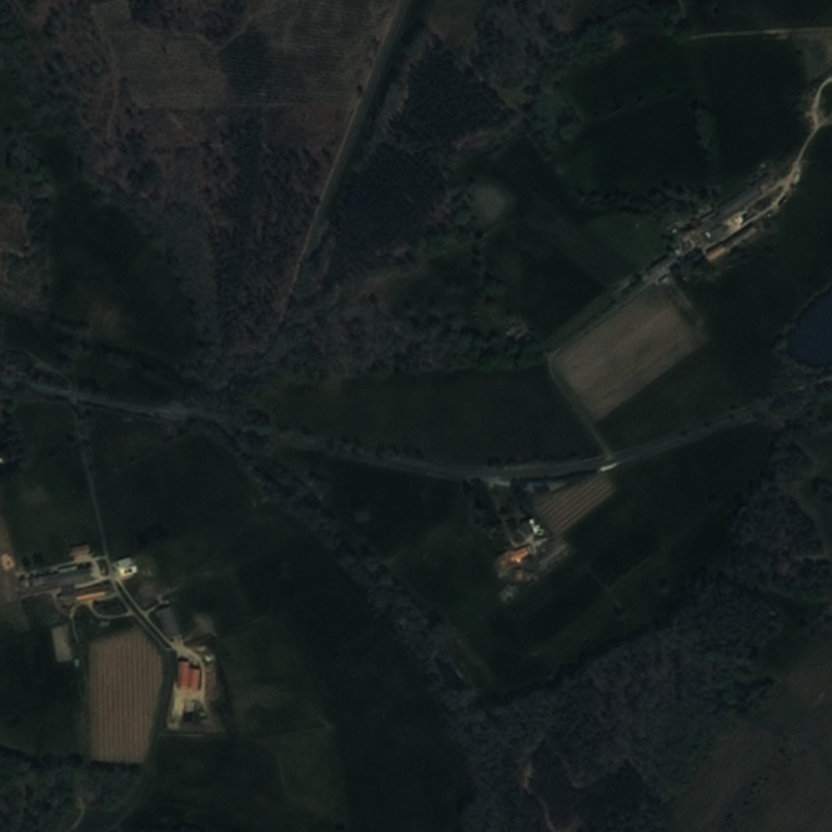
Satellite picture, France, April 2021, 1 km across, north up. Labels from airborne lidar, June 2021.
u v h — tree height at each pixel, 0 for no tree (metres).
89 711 0
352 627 0
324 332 19
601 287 0
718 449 0
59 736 0
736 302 0
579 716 24
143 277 0
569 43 16
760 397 13
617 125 0
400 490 0
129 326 0
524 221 0
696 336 0
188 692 0
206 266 16
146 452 8
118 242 0
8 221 0
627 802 9
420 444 0
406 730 0
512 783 23
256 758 0
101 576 0
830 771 0
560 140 9
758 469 0
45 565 15
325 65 0
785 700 0
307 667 0
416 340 10
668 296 0
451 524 0
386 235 12
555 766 9
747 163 0
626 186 0
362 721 0
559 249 0
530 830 20
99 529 0
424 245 18
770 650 0
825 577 19
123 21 0
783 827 0
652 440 0
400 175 12
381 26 0
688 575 0
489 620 0
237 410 22
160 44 0
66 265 0
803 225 0
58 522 0
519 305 0
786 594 14
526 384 0
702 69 0
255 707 0
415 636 18
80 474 0
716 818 0
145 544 19
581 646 0
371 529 0
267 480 19
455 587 0
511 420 0
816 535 21
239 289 20
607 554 0
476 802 21
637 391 0
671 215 12
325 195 0
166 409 0
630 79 0
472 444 0
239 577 0
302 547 0
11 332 0
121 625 0
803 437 14
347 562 26
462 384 0
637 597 0
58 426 0
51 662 0
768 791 0
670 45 0
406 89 11
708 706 16
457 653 0
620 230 0
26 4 20
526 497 21
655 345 0
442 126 11
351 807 0
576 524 0
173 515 0
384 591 21
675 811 0
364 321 14
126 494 0
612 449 0
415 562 0
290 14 0
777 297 0
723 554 0
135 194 10
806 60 0
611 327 0
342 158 0
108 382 0
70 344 18
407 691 0
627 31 0
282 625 0
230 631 0
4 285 13
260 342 19
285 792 0
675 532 0
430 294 0
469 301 0
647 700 15
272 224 16
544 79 17
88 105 8
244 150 19
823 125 0
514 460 8
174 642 0
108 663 0
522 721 24
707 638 24
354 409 0
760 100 0
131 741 0
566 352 0
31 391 16
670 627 17
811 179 0
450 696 20
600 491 0
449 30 0
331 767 0
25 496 0
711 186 0
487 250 0
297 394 0
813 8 0
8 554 0
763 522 23
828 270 0
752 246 7
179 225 19
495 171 0
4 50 15
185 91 0
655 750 15
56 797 22
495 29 18
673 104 0
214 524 0
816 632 7
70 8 13
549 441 0
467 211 15
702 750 17
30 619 0
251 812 0
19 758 15
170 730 0
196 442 0
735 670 15
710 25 0
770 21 0
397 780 0
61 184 0
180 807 0
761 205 0
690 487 0
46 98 20
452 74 9
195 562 0
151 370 13
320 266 19
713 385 0
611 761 10
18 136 11
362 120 0
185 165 13
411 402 0
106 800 17
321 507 16
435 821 0
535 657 0
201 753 0
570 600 0
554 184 0
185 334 0
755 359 0
